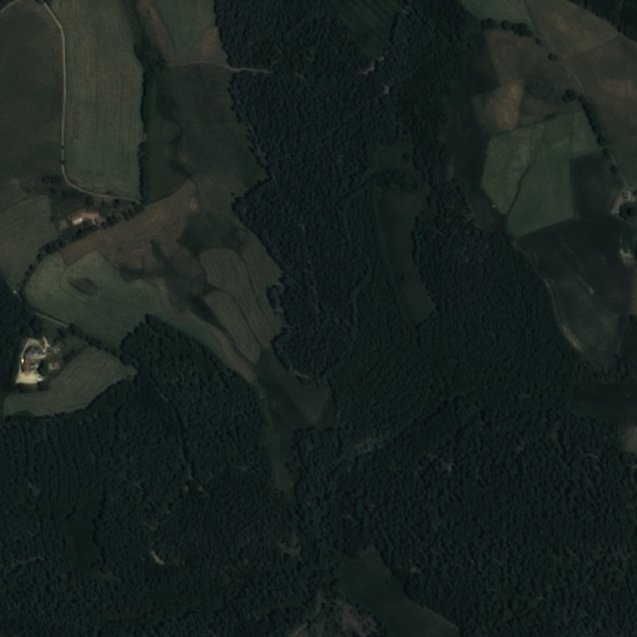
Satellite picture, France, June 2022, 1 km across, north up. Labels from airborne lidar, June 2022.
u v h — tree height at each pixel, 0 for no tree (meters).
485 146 0
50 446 25
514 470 10
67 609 23
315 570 19
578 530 24
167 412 22
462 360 19
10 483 23
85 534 0
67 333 22
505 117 0
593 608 19
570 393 14
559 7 0
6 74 0
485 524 23
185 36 0
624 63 0
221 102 0
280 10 21
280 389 0
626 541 29
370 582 0
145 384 23
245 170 0
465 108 0
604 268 0
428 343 21
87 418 27
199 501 15
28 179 0
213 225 0
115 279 0
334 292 24
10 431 25
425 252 19
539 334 23
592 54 0
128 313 0
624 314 0
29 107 0
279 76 24
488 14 0
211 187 0
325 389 0
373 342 23
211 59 0
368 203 22
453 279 22
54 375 0
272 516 17
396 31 22
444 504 26
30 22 0
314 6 24
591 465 29
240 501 17
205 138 0
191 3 0
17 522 26
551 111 0
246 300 0
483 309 16
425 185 10
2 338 21
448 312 18
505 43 0
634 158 0
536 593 27
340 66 12
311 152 27
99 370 0
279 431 0
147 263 0
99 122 0
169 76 0
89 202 9
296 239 29
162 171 0
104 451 25
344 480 21
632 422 0
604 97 0
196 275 0
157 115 0
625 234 0
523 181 0
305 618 16
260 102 24
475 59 0
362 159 23
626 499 13
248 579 6
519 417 29
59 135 0
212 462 29
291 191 21
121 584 23
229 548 21
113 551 26
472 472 34
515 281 17
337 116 21
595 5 15
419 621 0
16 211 0
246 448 33
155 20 0
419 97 20
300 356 24
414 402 19
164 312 0
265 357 0
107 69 0
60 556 23
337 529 29
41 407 0
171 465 28
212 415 25
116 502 27
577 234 0
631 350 0
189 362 22
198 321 0
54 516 14
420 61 21
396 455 25
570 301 0
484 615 16
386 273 21
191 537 21
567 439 31
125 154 0
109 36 0
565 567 7
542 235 0
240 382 25
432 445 24
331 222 17
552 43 0
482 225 0
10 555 25
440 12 17
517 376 9
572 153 0
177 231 0
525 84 0
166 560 10
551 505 28
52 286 0
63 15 0
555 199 0
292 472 11
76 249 0
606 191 0
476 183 0
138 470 27
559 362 22
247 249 0
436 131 22
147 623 8
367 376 15
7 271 0
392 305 19
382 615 0
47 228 0
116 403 27
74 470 26
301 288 22
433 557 29
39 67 0
